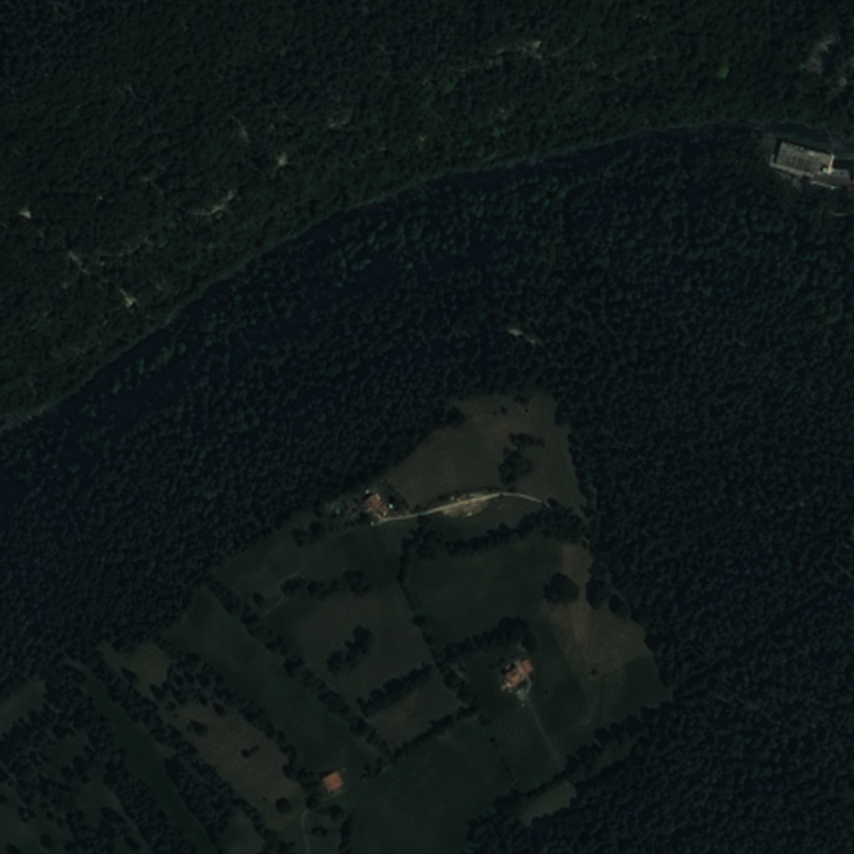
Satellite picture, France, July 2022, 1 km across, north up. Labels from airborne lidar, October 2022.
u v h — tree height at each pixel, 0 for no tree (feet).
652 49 85
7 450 79
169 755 0
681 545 75
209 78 87
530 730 0
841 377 103
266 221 44
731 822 108
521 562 0
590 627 0
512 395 53
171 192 87
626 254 61
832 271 96
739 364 88
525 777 0
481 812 0
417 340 33
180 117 64
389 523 0
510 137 137
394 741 0
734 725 119
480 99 109
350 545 0
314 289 113
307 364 126
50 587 120
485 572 0
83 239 91
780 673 109
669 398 122
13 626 123
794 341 26
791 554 31
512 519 0
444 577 0
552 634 0
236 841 0
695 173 109
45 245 81
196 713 0
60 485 87
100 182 82
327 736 0
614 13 106
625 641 0
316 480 55
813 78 42
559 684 0
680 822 118
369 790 0
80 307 90
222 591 72
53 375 85
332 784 0
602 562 99
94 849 106
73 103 96
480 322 40
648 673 0
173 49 78
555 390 29
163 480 144
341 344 58
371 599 0
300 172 115
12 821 0
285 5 81
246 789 0
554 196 117
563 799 0
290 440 123
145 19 70
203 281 101
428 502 0
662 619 27
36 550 118
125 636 75
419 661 0
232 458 129
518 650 0
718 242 60
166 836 115
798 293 47
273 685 0
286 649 63
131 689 65
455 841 0
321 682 63
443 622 0
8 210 100
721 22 81
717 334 100
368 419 119
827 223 34
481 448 0
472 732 0
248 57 46
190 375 118
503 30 102
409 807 0
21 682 89
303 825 0
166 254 155
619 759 0
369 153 30
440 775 0
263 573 0
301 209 83
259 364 46
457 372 138
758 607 118
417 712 0
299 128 98
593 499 116
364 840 0
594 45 95
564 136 83
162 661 0
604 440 101
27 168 93
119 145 98
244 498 95
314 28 67
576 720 0
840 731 34
